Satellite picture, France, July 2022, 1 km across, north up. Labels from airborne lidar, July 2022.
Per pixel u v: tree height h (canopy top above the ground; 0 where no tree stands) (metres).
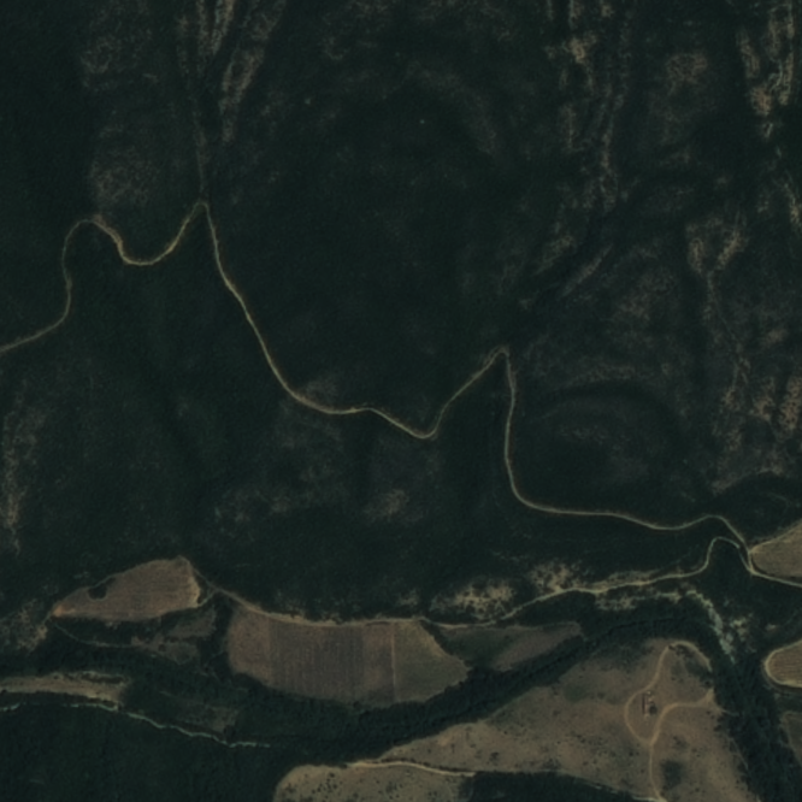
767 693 7
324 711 10
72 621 9
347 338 5
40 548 6
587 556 6
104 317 6
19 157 10
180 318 8
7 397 7
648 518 6
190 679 10
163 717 8
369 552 8
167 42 6
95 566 5
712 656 16
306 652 0
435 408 6
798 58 6
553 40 7
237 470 6
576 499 6
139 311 7
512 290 7
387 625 0
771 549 0
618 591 6
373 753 10
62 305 6
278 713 9
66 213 8
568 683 0
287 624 0
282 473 8
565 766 0
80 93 8
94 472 5
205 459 6
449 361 5
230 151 6
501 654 0
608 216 6
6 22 7
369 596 6
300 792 0
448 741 0
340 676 0
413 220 6
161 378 10
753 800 0
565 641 8
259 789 6
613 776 0
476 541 6
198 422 6
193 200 9
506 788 9
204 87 6
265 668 0
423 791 0
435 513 5
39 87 6
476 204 6
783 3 6
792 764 18
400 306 6
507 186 5
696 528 5
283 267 6
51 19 6
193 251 9
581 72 9
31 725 5
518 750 0
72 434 6
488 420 9
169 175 7
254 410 6
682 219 6
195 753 6
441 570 6
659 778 0
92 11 5
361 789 0
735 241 0
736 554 6
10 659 11
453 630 0
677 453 5
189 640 7
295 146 6
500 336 7
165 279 7
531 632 0
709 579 7
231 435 9
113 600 0
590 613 8
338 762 9
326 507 6
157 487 6
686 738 0
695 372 7
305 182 5
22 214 6
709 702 0
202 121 11
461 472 8
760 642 8
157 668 7
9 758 8
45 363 6
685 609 12
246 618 0
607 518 7
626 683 0
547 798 9
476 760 0
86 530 7
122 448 6
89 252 8
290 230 6
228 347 5
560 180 6
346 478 6
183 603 0
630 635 18
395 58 5
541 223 6
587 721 0
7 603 6
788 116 8
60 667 10
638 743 0
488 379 6
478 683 20
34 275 6
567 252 7
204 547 8
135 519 6
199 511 8
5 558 6
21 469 7
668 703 0
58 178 6
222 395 6
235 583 6
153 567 0
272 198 5
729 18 6
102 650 9
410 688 0
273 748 9
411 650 0
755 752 11
